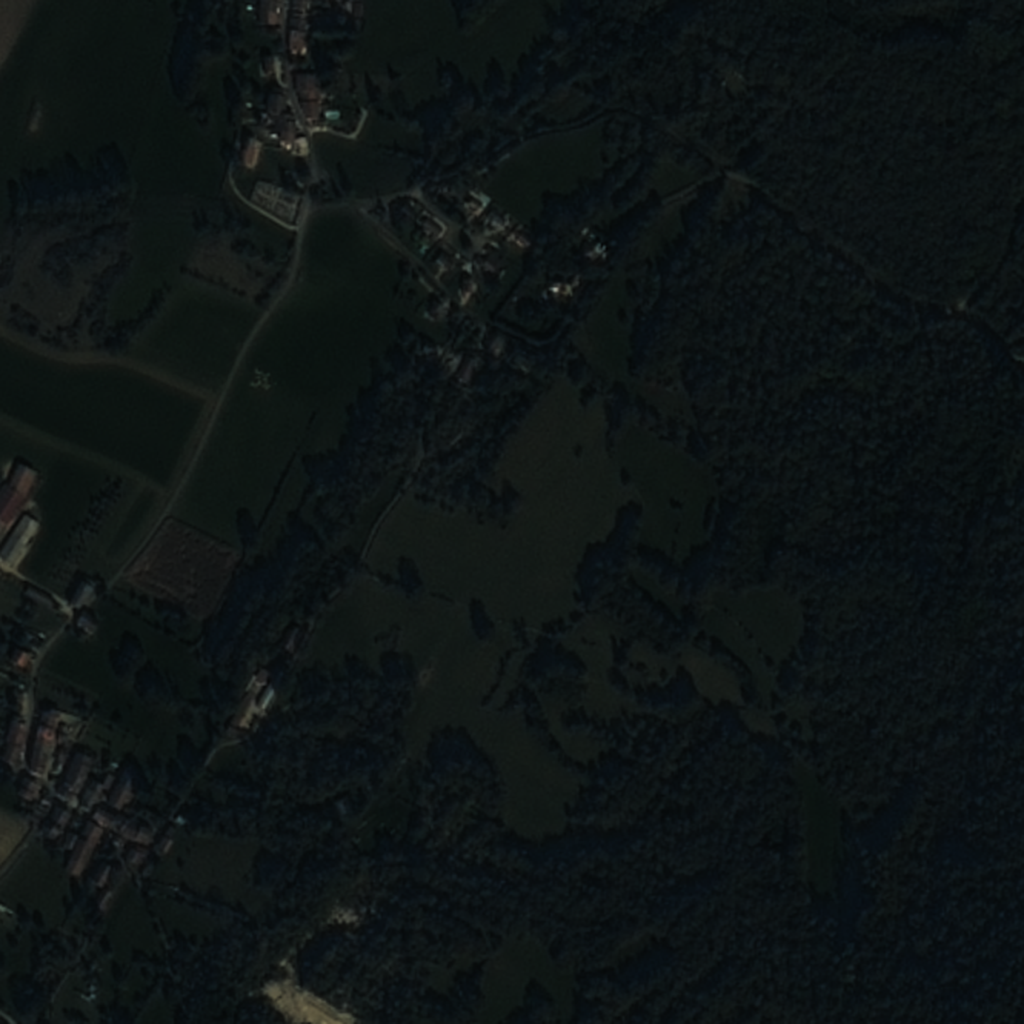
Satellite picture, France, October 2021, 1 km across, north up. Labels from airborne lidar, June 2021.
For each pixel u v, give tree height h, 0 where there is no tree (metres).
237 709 21
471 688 0
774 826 11
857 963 18
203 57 22
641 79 6
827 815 0
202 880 0
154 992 8
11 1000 0
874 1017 12
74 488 0
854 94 17
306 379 0
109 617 0
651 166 18
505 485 0
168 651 0
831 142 12
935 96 13
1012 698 8
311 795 14
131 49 0
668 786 14
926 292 11
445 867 15
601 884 21
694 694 20
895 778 9
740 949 11
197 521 0
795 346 14
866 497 14
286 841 18
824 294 19
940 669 11
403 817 0
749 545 20
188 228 0
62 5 0
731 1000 17
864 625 9
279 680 15
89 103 0
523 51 0
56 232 0
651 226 19
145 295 0
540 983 0
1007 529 12
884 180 15
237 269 0
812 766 6
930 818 9
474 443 7
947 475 11
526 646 18
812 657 15
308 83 0
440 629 0
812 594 16
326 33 15
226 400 0
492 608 0
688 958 15
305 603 7
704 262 15
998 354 18
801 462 18
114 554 0
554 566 0
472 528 0
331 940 9
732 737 19
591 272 16
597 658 0
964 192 12
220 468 0
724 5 12
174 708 15
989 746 12
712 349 16
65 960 11
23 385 0
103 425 0
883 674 13
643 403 0
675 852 15
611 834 0
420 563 0
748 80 12
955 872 16
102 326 9
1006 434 7
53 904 0
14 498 0
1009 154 11
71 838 0
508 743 0
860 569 16
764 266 19
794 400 13
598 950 15
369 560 0
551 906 21
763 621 0
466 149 7
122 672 18
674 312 18
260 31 8
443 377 19
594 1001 7
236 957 13
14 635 6
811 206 10
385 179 0
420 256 0
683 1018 16
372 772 15
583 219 17
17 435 0
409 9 0
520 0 0
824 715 8
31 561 0
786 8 19
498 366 10
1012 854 16
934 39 19
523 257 0
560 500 0
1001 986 13
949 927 7
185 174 0
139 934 0
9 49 0
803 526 16
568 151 0
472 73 0
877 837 0
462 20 18
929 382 15
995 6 14
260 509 0
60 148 0
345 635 0
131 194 15
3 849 0
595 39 15
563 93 12
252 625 22
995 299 18
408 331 10
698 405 17
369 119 0
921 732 6
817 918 20
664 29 13
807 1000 9
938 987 13
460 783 18
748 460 13
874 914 25
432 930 16
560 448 0
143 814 6
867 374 20
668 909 19
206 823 15
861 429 7
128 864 6
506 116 12
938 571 30
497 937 11
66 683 0
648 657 0
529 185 0
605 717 0
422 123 7
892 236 10
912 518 8
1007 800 17
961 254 20
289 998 0
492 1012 0
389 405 10
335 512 25
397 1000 13
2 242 0
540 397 8
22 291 0
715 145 17
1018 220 12
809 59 20
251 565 0
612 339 0
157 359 0
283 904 13
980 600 17
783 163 12
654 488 0
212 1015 12
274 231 0
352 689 13
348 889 7
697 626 12
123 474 0
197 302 0
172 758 0
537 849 0
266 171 0
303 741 11
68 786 0
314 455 0
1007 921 14
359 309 0
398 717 18
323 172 0
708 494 0
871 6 17
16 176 0
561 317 7
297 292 0
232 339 0
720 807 17
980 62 22
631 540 17
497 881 13
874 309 17
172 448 0
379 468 15
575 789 0
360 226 0
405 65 0
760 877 18
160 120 0
